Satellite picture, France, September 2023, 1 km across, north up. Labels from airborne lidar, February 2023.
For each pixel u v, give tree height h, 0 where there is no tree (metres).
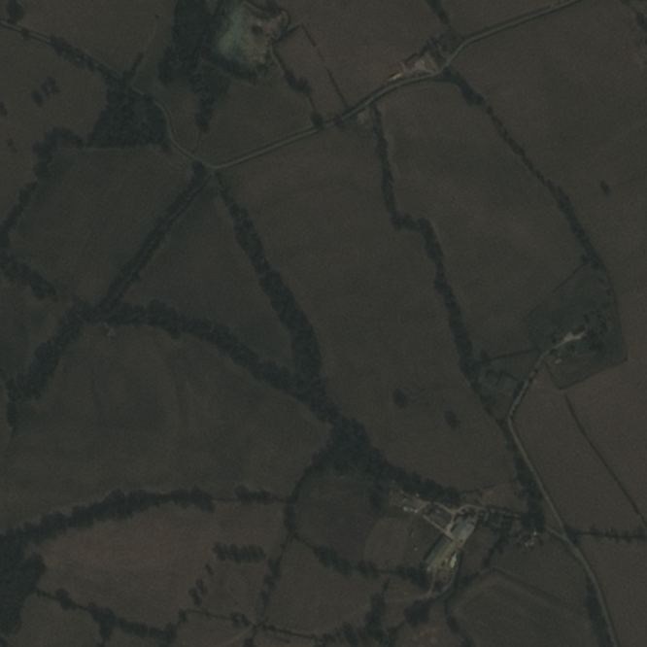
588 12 0
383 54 0
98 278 0
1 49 0
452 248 0
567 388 0
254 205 0
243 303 0
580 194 0
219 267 0
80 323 20
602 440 0
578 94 0
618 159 0
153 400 0
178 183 0
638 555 0
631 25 0
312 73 0
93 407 0
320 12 0
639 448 0
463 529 0
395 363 0
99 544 0
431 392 0
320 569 0
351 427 14
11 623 9
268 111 0
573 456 0
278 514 0
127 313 15
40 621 0
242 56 0
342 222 0
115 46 0
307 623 0
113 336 0
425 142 0
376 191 0
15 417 12
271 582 15
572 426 0
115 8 0
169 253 0
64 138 17
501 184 0
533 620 0
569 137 0
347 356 0
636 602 0
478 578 0
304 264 0
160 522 0
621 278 0
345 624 0
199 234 0
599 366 0
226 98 0
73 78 0
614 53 0
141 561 0
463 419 0
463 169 0
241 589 0
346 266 0
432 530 0
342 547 0
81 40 0
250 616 0
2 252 0
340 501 0
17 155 0
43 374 17
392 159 0
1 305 0
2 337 0
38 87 0
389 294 0
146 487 0
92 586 0
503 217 0
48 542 0
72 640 0
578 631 0
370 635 12
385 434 0
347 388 0
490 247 0
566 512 0
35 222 0
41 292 21
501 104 0
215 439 0
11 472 0
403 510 0
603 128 0
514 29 0
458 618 0
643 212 0
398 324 0
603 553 0
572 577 0
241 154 0
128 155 0
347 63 0
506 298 0
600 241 0
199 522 0
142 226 0
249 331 0
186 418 0
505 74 0
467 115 0
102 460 0
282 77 0
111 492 0
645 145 0
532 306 0
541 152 0
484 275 0
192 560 0
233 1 0
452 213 0
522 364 0
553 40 0
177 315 12
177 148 0
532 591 0
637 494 0
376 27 0
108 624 18
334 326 0
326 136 0
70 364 0
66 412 0
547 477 0
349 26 0
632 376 0
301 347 20
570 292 0
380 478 15
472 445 0
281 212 0
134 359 0
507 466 0
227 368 0
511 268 0
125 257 0
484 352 0
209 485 0
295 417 0
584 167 0
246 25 0
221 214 0
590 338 12
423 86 0
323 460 16
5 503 0
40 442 0
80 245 0
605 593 0
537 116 0
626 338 0
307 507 0
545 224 0
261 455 0
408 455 0
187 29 0
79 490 0
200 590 14
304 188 0
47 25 0
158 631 9
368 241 0
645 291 0
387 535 0
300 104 0
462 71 0
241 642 0
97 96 0
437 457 0
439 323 0
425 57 0
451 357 0
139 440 0
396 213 8
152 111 5
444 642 0
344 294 0
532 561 0
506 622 0
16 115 0
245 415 0
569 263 0
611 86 0
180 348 0
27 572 10
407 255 0
